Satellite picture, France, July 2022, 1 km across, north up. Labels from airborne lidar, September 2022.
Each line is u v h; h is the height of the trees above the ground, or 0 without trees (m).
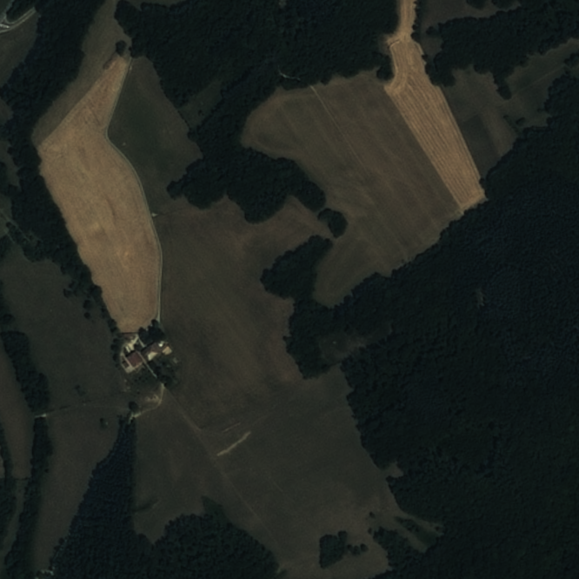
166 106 0
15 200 19
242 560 21
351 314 27
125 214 0
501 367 21
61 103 0
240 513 0
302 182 17
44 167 0
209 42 16
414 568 28
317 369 23
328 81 18
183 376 0
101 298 13
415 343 18
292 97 0
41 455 15
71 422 0
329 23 20
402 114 0
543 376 27
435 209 0
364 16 18
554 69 0
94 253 0
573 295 18
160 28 23
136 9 17
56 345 0
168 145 0
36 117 18
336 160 0
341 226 18
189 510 0
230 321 0
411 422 22
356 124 0
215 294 0
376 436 23
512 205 23
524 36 20
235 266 0
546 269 14
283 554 0
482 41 20
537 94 0
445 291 18
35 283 0
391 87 0
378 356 27
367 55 17
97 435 0
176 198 11
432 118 0
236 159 19
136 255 0
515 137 0
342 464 0
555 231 19
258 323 0
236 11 11
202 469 0
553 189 13
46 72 24
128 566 14
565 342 21
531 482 18
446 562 26
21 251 0
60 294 0
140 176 0
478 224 15
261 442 0
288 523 0
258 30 22
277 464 0
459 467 23
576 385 19
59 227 12
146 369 8
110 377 0
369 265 0
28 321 0
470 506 16
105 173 0
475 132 0
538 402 20
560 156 19
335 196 0
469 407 21
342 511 0
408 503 17
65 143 0
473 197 0
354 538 0
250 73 20
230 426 0
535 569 21
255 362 0
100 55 0
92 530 13
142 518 0
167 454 0
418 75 0
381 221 0
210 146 13
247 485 0
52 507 0
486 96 0
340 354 0
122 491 19
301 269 21
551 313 15
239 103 21
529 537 24
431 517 17
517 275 26
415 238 0
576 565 21
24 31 0
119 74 0
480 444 7
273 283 17
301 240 0
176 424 0
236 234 0
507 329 20
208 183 20
